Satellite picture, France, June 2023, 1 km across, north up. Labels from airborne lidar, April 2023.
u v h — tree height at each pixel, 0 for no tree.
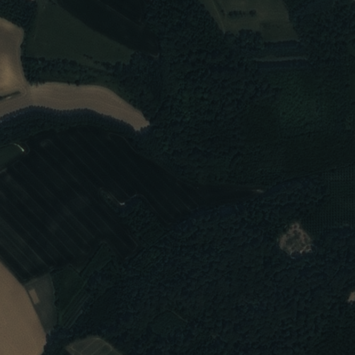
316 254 24
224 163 29
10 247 0
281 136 15
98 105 0
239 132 29
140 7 0
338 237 31
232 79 28
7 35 0
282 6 0
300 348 29
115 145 0
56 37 0
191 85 23
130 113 0
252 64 21
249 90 27
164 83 32
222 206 0
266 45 17
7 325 0
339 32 30
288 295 33
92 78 6
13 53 0
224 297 35
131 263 11
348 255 28
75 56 0
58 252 0
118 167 0
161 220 0
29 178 0
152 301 31
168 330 8
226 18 0
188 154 29
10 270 0
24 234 0
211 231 33
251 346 32
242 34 22
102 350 0
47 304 0
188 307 30
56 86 0
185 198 0
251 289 35
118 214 11
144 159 0
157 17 15
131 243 0
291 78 11
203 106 6
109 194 0
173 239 20
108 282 35
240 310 31
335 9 17
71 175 0
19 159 0
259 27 0
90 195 0
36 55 0
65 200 0
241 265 34
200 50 21
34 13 18
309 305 32
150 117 11
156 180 0
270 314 31
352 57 6
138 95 20
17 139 14
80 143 0
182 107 17
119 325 31
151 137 33
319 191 24
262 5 0
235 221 36
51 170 0
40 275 0
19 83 0
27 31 10
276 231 28
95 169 0
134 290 31
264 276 34
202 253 28
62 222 0
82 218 0
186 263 31
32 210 0
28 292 0
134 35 0
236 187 0
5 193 0
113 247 0
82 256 0
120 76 19
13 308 0
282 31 0
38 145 0
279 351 32
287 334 32
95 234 0
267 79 22
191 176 22
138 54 19
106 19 0
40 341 0
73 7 0
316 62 18
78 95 0
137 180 0
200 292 34
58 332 29
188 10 23
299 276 35
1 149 0
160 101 21
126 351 20
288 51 18
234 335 33
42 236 0
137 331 33
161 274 25
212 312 34
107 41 0
